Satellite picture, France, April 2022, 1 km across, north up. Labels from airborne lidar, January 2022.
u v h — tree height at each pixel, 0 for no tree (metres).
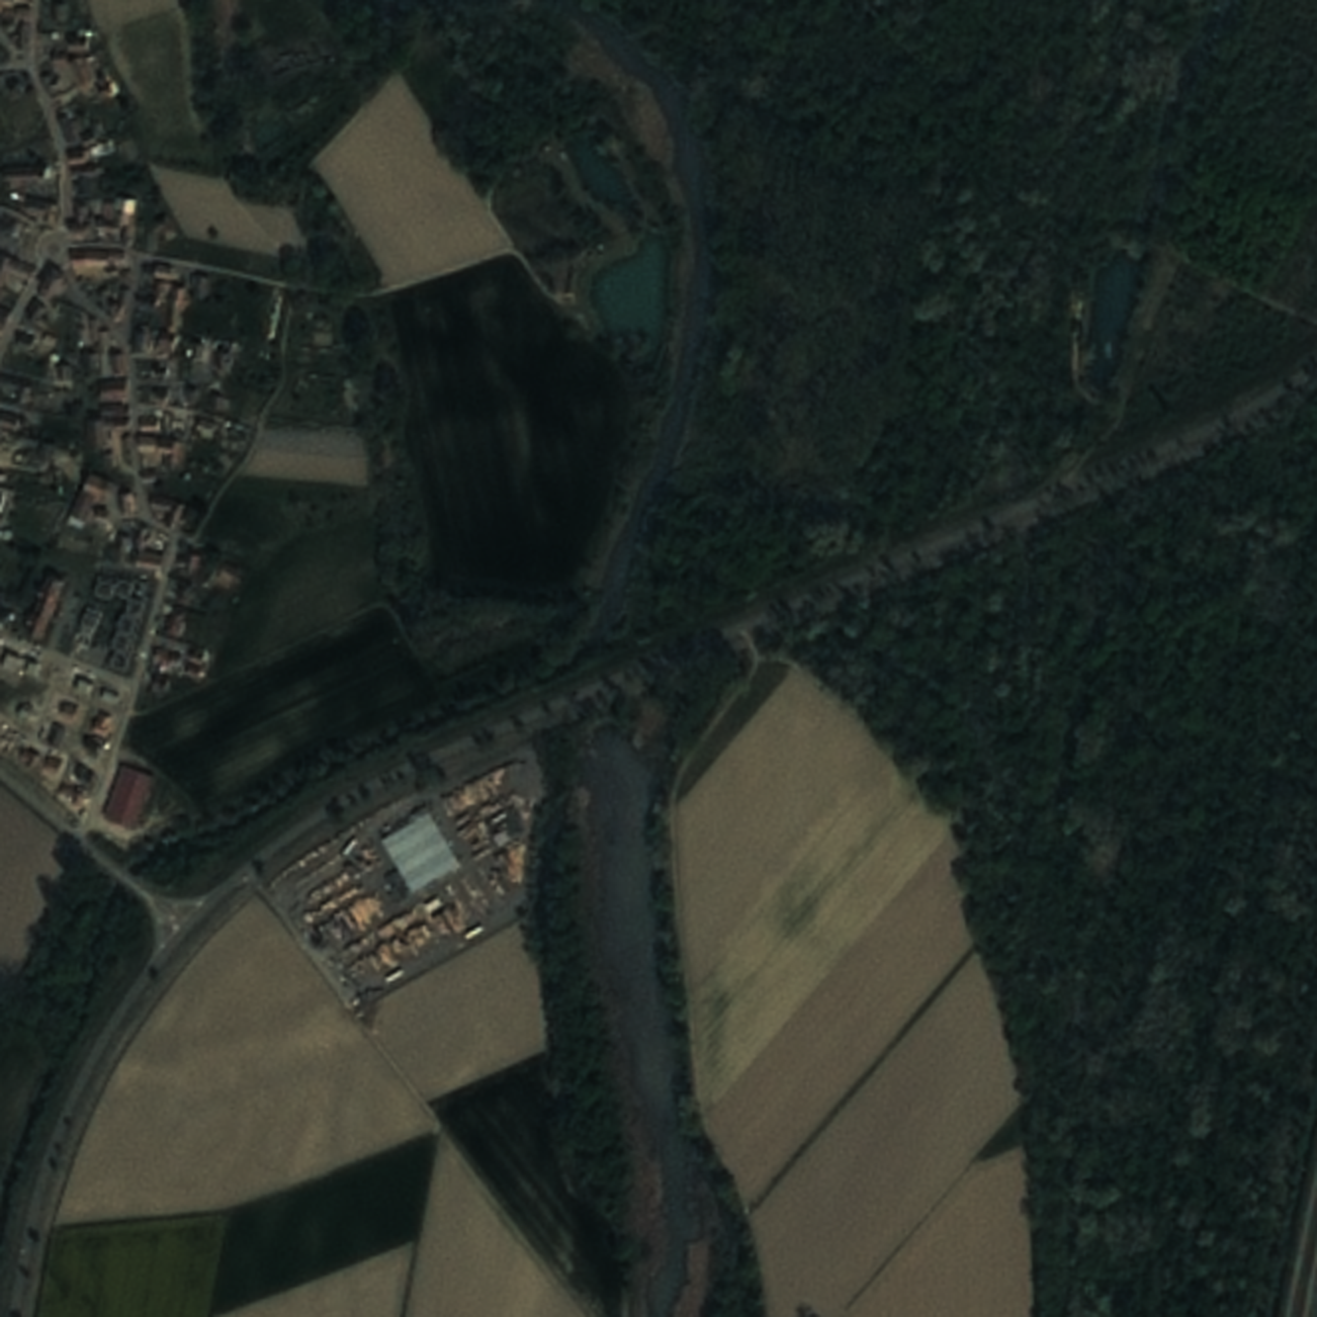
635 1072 0
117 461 0
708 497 7
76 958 21
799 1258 0
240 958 0
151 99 0
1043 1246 12
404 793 0
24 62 0
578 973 16
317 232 13
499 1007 0
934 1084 0
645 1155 0
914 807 0
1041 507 0
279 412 0
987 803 12
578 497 0
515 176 13
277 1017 0
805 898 0
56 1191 0
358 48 24
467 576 0
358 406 0
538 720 0
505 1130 0
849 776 0
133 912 12
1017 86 7
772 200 0
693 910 0
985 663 16
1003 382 13
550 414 0
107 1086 0
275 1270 0
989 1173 0
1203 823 13
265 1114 0
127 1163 0
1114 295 0
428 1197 0
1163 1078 25
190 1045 0
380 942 0
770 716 0
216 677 0
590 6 7
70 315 0
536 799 0
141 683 0
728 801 0
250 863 0
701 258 0
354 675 0
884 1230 0
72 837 0
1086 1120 12
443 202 0
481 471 0
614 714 15
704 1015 0
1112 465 0
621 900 0
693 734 23
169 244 0
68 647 0
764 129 31
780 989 0
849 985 0
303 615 0
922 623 12
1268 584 24
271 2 0
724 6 18
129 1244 0
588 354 0
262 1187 0
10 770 0
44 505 0
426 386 0
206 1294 0
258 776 0
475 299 0
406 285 0
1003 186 8
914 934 0
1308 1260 0
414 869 0
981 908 15
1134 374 0
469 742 0
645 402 17
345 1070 0
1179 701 22
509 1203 0
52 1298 0
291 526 0
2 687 0
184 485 0
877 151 16
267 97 30
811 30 19
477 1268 0
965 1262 0
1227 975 25
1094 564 8
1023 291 18
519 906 0
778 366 0
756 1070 0
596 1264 0
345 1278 0
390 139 0
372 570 0
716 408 11
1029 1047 18
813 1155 0
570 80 19
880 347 0
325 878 0
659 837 15
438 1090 0
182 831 10
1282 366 0
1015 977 16
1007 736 10
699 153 0
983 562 17
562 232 0
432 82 0
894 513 16
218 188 0
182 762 0
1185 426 0
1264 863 19
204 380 0
